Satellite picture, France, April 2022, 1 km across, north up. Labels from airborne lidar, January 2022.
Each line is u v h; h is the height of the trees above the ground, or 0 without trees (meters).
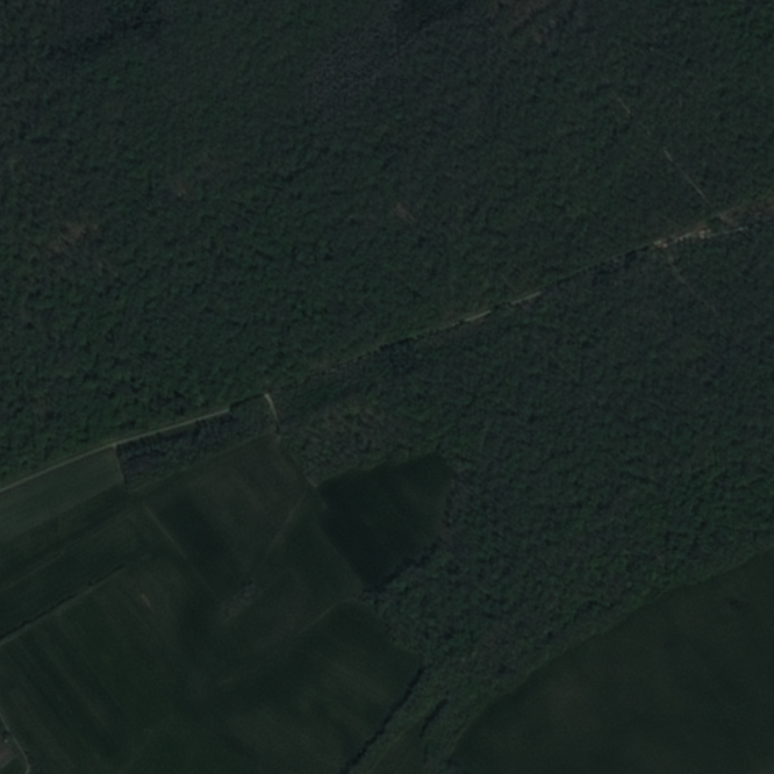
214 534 0
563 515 22
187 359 23
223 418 0
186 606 0
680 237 0
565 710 0
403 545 0
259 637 0
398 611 21
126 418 20
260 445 0
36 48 22
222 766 0
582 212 23
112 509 0
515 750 0
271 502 0
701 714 0
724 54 19
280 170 23
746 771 0
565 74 20
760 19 20
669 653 0
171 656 0
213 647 0
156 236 23
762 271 22
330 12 23
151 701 0
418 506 0
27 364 21
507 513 26
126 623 0
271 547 0
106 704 0
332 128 22
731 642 0
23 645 0
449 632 26
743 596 0
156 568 0
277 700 0
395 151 21
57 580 0
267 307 22
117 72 22
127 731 0
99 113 22
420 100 22
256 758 0
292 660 0
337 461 22
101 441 12
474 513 22
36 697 0
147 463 22
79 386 21
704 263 21
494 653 24
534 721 0
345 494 0
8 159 25
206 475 0
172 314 23
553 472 22
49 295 23
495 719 0
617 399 19
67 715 0
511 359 24
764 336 18
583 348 21
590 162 20
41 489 0
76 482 0
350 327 23
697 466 24
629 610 23
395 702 0
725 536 22
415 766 0
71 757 0
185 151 25
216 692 0
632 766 0
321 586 0
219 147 24
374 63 13
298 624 0
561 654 19
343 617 0
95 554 0
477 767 0
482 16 18
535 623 25
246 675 0
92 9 22
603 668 0
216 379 23
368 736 0
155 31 21
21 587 0
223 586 0
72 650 0
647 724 0
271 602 0
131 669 0
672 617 0
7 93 23
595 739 0
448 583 26
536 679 0
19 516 0
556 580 22
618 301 20
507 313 16
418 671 0
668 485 21
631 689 0
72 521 0
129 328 22
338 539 0
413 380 20
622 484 25
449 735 11
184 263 22
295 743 0
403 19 14
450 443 19
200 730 0
